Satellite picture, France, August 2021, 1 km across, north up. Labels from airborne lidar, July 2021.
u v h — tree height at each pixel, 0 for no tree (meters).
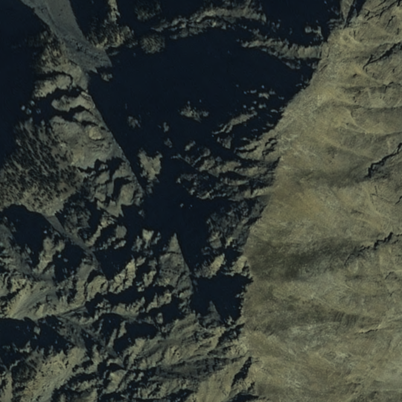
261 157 0
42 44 7
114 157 0
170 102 0
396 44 0
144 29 0
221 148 0
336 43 0
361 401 0
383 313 0
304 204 0
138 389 0
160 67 0
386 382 0
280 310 0
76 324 0
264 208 0
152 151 0
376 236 0
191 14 0
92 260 0
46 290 0
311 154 0
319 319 0
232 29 0
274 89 0
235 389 0
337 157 0
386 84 0
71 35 0
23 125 8
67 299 0
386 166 0
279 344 0
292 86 0
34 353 0
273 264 0
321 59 0
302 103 0
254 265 0
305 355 0
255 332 0
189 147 0
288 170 0
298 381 0
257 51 0
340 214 0
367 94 0
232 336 0
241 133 0
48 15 0
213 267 0
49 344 0
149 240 0
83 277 0
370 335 0
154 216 0
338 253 0
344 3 0
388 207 0
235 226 0
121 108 0
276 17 0
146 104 0
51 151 10
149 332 0
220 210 0
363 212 0
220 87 0
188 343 0
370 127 0
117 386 0
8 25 0
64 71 0
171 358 0
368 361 0
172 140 0
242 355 0
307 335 0
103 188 0
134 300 0
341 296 0
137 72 0
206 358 0
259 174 0
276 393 0
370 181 0
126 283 0
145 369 0
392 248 0
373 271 0
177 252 0
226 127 0
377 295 0
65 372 0
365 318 0
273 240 0
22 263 0
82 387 0
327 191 0
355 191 0
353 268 0
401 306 0
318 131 0
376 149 0
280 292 0
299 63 0
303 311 0
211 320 0
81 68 0
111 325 0
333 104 0
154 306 0
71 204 0
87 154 0
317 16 0
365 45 0
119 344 0
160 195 0
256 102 0
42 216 0
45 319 0
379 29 0
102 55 0
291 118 0
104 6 9
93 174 0
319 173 0
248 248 0
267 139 0
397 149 0
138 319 0
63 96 0
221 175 0
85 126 0
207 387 0
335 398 0
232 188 0
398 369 0
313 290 0
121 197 0
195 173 0
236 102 0
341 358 0
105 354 0
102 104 0
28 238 0
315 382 0
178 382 0
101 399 0
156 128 0
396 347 0
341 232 0
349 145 0
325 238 0
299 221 0
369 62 0
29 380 7
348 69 0
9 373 0
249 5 0
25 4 0
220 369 0
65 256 0
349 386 0
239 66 0
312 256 0
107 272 0
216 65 0
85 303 0
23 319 0
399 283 0
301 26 0
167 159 0
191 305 0
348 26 0
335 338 0
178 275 0
